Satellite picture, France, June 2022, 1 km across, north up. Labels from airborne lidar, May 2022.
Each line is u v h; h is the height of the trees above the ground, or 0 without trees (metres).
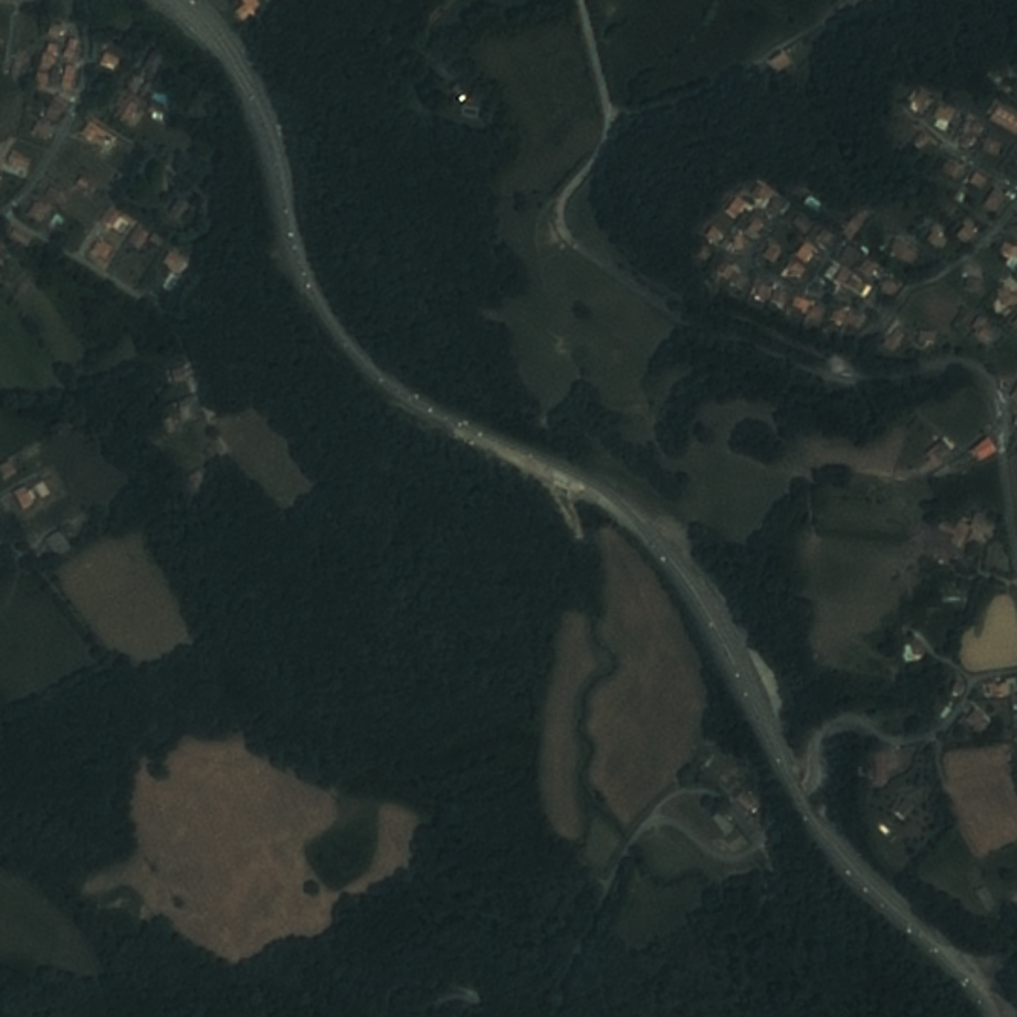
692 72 0
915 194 12
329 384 25
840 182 21
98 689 19
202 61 17
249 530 22
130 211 18
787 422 16
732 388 18
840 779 18
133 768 21
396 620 15
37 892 0
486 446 0
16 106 0
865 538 0
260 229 23
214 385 15
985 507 6
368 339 16
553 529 25
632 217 21
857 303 7
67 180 0
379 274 23
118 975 18
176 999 14
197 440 0
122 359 0
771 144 20
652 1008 23
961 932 21
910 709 15
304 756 23
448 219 23
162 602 0
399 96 24
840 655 0
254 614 19
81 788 19
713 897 20
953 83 13
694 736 0
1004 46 22
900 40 25
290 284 16
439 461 31
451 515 23
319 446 23
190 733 17
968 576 7
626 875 14
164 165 11
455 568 22
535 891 19
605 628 0
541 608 25
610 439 10
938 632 0
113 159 0
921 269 11
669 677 0
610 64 9
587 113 0
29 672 0
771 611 18
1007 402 0
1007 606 0
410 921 26
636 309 0
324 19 20
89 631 6
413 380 21
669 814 0
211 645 20
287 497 0
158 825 0
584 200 0
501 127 28
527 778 10
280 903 0
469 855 25
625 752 0
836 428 23
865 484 0
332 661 19
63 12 0
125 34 6
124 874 0
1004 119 0
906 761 0
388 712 21
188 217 13
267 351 26
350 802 0
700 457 0
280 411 22
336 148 28
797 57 0
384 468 19
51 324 0
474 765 18
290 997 22
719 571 11
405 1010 15
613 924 19
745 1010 24
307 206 17
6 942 0
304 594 22
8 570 16
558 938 19
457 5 0
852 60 16
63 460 0
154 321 10
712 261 6
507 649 29
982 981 0
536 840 24
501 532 26
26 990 26
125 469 19
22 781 19
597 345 0
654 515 0
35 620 0
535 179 0
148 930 16
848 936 15
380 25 26
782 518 16
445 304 25
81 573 0
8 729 24
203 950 9
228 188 25
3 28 0
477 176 26
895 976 16
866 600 0
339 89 27
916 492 0
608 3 0
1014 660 0
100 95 19
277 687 25
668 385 0
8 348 0
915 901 18
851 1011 22
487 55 0
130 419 26
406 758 24
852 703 16
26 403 23
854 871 0
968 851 0
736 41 0
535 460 0
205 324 22
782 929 18
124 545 0
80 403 25
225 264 11
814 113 25
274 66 19
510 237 0
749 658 0
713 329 21
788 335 11
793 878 21
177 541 20
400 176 22
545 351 0
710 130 21
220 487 19
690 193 21
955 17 22
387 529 22
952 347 10
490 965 23
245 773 0
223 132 18
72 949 0
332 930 8
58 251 11
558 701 0
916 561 0
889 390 21
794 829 22
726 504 0
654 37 0
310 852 0
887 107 10
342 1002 25
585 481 0
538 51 0
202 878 0
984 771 0
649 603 0
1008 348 0
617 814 0
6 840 20
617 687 0
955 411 0
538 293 0
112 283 8
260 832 0
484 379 27
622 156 26
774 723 0
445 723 20
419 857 15
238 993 23
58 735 22
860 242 7
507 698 25
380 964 18
